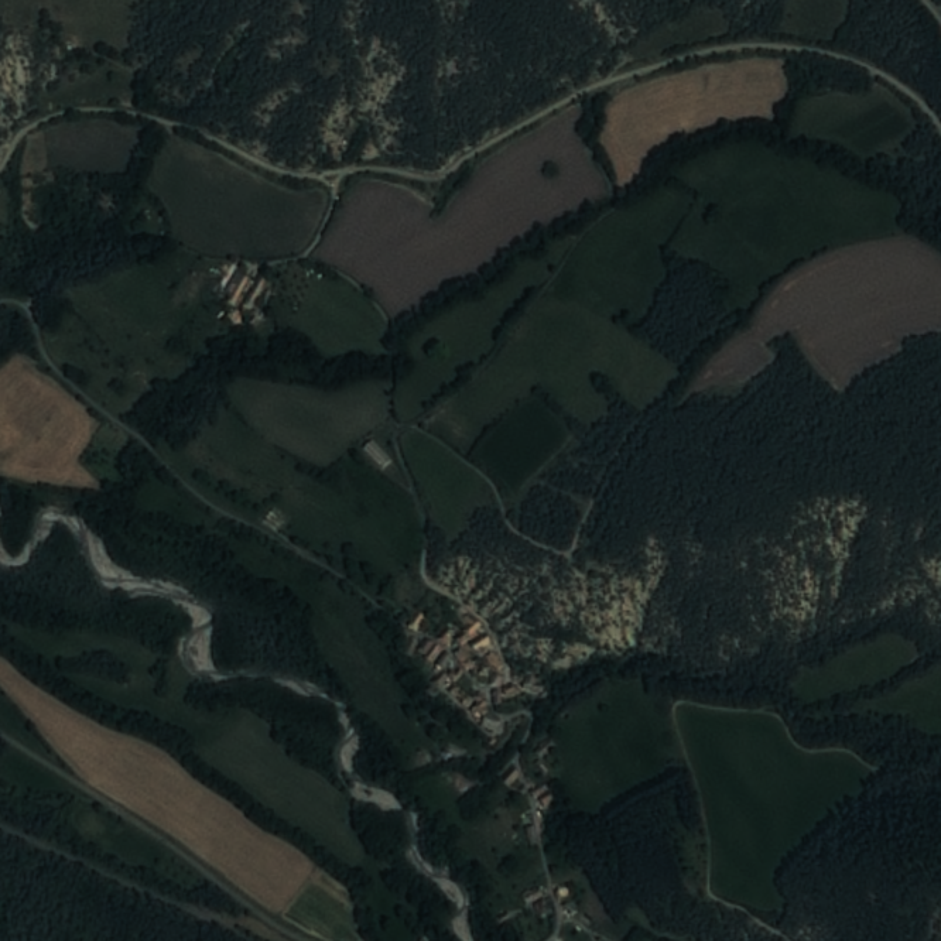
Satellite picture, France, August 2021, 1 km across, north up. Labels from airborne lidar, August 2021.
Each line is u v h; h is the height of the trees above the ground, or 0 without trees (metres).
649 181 22
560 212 0
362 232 0
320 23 11
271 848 0
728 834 0
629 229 0
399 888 22
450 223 0
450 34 7
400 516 0
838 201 0
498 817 6
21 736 0
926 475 10
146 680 0
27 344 12
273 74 7
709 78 0
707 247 0
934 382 12
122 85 0
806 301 0
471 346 0
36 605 16
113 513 16
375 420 0
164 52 6
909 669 12
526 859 0
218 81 16
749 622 7
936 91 12
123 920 21
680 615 6
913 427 15
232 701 16
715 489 11
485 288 19
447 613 8
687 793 22
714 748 0
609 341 0
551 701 10
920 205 20
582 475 7
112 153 0
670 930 10
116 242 19
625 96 0
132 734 9
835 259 0
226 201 0
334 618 0
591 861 22
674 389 13
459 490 0
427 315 19
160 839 0
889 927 17
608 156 8
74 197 9
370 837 21
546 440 0
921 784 22
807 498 6
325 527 0
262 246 0
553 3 8
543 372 0
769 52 8
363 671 0
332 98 10
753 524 9
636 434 10
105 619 12
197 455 0
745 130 24
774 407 11
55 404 0
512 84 7
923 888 16
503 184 0
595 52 9
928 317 0
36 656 11
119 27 0
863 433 9
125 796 0
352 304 0
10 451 0
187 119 19
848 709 10
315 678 11
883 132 0
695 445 10
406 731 0
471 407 0
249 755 0
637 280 0
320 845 8
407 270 0
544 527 10
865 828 17
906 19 7
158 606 11
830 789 0
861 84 11
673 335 14
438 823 13
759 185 0
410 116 9
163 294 0
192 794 0
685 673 10
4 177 8
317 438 0
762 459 12
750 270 0
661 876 18
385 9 9
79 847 13
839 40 12
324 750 9
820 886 17
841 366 0
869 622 9
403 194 0
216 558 8
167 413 15
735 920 9
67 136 0
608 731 0
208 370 23
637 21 7
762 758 0
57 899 8
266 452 0
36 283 14
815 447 11
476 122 9
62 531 11
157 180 0
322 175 0
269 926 0
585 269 0
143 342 0
